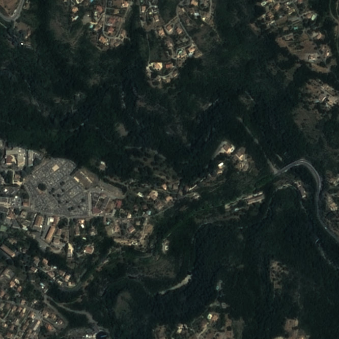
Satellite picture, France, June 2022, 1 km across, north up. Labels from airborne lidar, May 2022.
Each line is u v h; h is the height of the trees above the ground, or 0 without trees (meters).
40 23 9
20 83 16
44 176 0
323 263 13
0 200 0
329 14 10
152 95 14
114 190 0
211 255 12
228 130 15
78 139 13
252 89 17
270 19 7
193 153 21
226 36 15
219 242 11
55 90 11
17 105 16
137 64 13
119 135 10
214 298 10
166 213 10
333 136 10
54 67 22
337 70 8
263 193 12
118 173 15
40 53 13
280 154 12
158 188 6
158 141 15
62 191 11
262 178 7
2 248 0
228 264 9
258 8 15
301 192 0
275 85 8
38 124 16
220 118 19
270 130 15
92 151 6
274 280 11
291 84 9
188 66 14
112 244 17
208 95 7
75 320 20
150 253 13
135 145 18
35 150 7
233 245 6
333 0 8
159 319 9
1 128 12
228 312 13
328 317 20
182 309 13
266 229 9
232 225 17
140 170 14
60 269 18
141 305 9
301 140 14
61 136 11
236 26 12
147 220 0
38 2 10
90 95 15
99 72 11
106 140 17
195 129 18
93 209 0
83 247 11
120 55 12
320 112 9
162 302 15
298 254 15
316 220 10
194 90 21
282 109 20
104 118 11
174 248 14
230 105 9
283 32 9
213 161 14
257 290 15
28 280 13
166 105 14
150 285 7
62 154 13
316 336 15
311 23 12
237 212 7
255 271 8
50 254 8
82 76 11
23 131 6
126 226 9
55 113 12
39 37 16
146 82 7
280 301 14
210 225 13
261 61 14
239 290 15
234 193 13
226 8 8
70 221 7
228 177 10
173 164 11
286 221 13
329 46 9
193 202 13
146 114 12
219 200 8
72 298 11
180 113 13
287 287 7
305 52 0
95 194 0
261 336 8
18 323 0
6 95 9
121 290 13
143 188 7
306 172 16
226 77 10
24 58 11
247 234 11
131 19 7
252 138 17
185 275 9
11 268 0
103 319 14
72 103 18
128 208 7
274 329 12
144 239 10
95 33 11
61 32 0
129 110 13
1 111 7
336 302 14
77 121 11
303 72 17
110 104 17
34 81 14
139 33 11
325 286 13
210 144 9
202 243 12
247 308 13
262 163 13
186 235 17
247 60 9
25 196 15
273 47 14
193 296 16
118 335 9
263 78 12
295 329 8
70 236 9
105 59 15
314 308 14
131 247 12
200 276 9
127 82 22
